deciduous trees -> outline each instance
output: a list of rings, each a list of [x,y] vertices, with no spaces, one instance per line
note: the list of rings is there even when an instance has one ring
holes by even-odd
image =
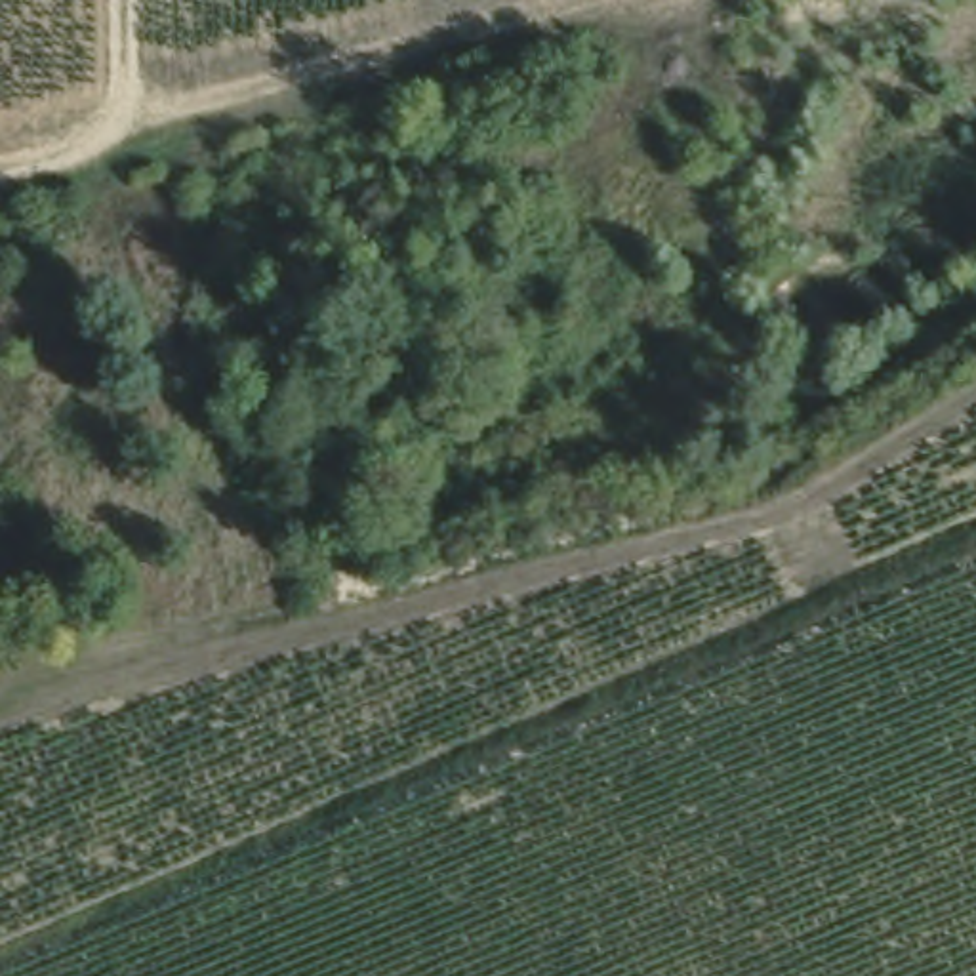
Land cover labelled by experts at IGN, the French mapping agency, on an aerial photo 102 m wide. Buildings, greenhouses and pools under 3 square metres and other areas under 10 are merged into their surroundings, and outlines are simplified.
[[[72,549],[88,568],[84,583],[72,595],[57,595],[50,583],[0,583],[0,675],[15,671],[19,663],[61,667],[72,656],[88,656],[107,637],[126,633],[141,610],[141,572],[122,538],[114,538],[107,526],[72,522],[69,515],[61,515],[53,526],[57,541]]]
[[[194,541],[187,534],[168,530],[164,564],[175,576],[183,576],[194,564]]]
[[[111,477],[149,484],[149,477],[160,465],[137,404],[153,400],[160,389],[160,370],[149,355],[153,328],[137,290],[122,278],[111,278],[92,290],[92,297],[80,305],[80,316],[88,328],[99,332],[99,339],[111,343],[99,393],[111,400],[107,419],[122,438],[122,465]]]
[[[690,438],[675,461],[602,461],[587,473],[564,473],[549,458],[553,438],[591,435],[595,427],[602,427],[602,416],[587,408],[587,400],[599,389],[614,385],[621,370],[641,370],[644,355],[633,320],[671,328],[690,309],[690,263],[675,248],[660,244],[656,259],[663,267],[663,278],[641,282],[610,252],[610,244],[595,236],[591,221],[576,225],[576,198],[568,179],[545,179],[541,168],[530,164],[530,153],[553,153],[587,133],[602,95],[618,92],[629,80],[629,53],[610,57],[606,46],[591,50],[591,38],[576,34],[568,19],[530,23],[519,11],[496,11],[492,19],[454,15],[450,27],[412,38],[389,53],[366,53],[358,69],[343,69],[332,80],[313,80],[301,92],[290,84],[282,95],[271,95],[263,111],[240,107],[137,130],[111,153],[69,172],[38,172],[15,179],[0,175],[0,320],[8,320],[15,309],[11,290],[19,286],[23,271],[46,248],[65,255],[84,233],[103,248],[145,244],[175,267],[179,282],[172,297],[172,324],[214,324],[217,316],[236,316],[248,339],[236,343],[236,355],[221,374],[221,397],[210,400],[210,416],[217,419],[217,427],[240,458],[278,458],[286,469],[290,507],[271,511],[267,519],[267,530],[282,545],[267,549],[267,560],[275,602],[294,618],[320,618],[324,599],[343,572],[389,591],[408,591],[435,564],[473,564],[477,572],[496,572],[507,564],[522,564],[526,557],[557,560],[606,541],[621,545],[644,534],[660,534],[675,522],[702,522],[724,511],[755,507],[808,480],[816,469],[839,465],[846,454],[881,438],[904,416],[938,400],[942,389],[953,385],[953,374],[968,358],[976,358],[976,248],[965,259],[949,263],[949,271],[934,282],[926,282],[923,275],[907,278],[911,297],[900,309],[885,313],[869,328],[846,328],[835,336],[835,343],[827,343],[824,336],[804,336],[804,328],[797,324],[789,294],[801,286],[808,271],[820,267],[824,248],[808,244],[801,229],[789,225],[789,214],[804,210],[808,187],[820,175],[827,175],[839,160],[839,137],[846,133],[843,107],[850,92],[865,88],[877,99],[873,122],[858,141],[858,172],[904,149],[923,130],[942,126],[942,118],[949,114],[976,114],[976,99],[968,95],[965,76],[957,69],[942,69],[934,53],[946,50],[957,15],[976,15],[976,0],[713,0],[721,15],[743,15],[736,23],[736,34],[709,34],[705,69],[686,72],[679,88],[656,88],[644,99],[637,118],[637,141],[660,172],[682,168],[694,183],[705,183],[736,214],[736,233],[747,248],[747,267],[724,271],[724,290],[736,294],[743,309],[759,316],[766,339],[759,358],[732,370],[736,381],[728,389],[728,404],[713,404],[705,412],[702,435]]]

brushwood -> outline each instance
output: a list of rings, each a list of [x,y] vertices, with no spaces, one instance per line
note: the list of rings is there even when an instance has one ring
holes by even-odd
[[[850,618],[896,599],[900,587],[926,587],[953,576],[957,557],[965,549],[976,564],[976,522],[965,522],[900,557],[862,568],[812,583],[801,599],[789,599],[785,606],[740,629],[709,637],[686,652],[675,652],[633,675],[606,682],[621,702],[625,694],[641,698],[656,679],[686,675],[705,682],[709,675],[755,663],[789,637],[797,637],[801,625],[820,625],[824,633],[835,633]]]
[[[438,793],[438,778],[458,763],[496,766],[507,747],[553,747],[572,736],[572,724],[587,709],[587,698],[580,694],[522,724],[461,743],[381,785],[343,793],[339,801],[309,812],[305,820],[267,831],[259,839],[275,858],[286,858],[290,850],[328,839],[343,824],[351,824],[347,804],[374,801],[385,816],[393,816],[397,808],[419,797]]]

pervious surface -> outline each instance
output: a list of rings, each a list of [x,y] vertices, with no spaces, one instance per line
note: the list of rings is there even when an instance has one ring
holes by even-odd
[[[187,92],[164,92],[141,80],[137,42],[137,0],[95,0],[95,8],[107,8],[107,103],[88,126],[72,126],[65,137],[46,137],[27,149],[0,153],[0,175],[15,179],[38,172],[69,172],[111,153],[137,130],[240,107],[263,111],[271,95],[282,95],[290,84],[271,69]]]

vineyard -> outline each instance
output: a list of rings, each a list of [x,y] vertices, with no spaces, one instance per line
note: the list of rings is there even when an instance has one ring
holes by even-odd
[[[942,446],[915,442],[915,454],[907,461],[873,473],[858,496],[835,499],[835,519],[846,530],[846,541],[858,549],[862,568],[900,557],[965,522],[976,522],[976,400],[968,404],[965,427],[942,431]]]
[[[286,19],[351,11],[374,0],[137,0],[137,42],[198,50],[217,42],[221,34],[252,34],[255,27],[271,27],[271,38],[278,46],[290,34]]]
[[[38,99],[88,80],[95,50],[95,8],[95,0],[0,0],[0,103],[8,107],[15,99]]]
[[[553,583],[534,595],[522,595],[519,602],[499,602],[492,610],[465,610],[458,629],[442,629],[438,621],[408,621],[400,633],[362,633],[355,648],[324,644],[316,652],[267,656],[229,679],[198,679],[187,686],[172,686],[164,694],[141,694],[114,713],[69,709],[65,728],[57,732],[42,724],[15,724],[0,732],[0,976],[976,976],[976,564],[965,549],[957,557],[953,576],[926,587],[900,587],[896,599],[850,618],[835,633],[824,633],[820,625],[801,625],[797,637],[789,637],[755,663],[709,675],[705,682],[686,675],[656,679],[641,698],[625,694],[621,702],[606,682],[633,675],[675,652],[686,652],[709,637],[740,629],[785,606],[789,599],[774,580],[774,564],[766,560],[759,541],[743,541],[740,553],[728,557],[713,549],[694,549],[686,557],[675,557],[671,564],[618,568],[614,576]],[[259,839],[267,831],[305,820],[309,812],[339,801],[343,793],[381,785],[461,743],[522,724],[580,694],[587,698],[587,709],[572,724],[572,736],[553,747],[507,747],[496,766],[458,763],[438,778],[438,793],[419,797],[397,808],[393,816],[385,816],[374,801],[347,804],[351,824],[343,824],[328,839],[290,850],[286,858],[275,858]]]

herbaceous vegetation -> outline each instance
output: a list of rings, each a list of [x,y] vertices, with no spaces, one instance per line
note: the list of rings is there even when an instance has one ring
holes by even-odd
[[[107,419],[111,400],[99,393],[111,343],[99,339],[99,332],[88,328],[80,316],[80,305],[92,297],[92,290],[111,278],[122,278],[137,290],[153,328],[149,355],[160,370],[160,389],[153,400],[137,404],[160,465],[149,477],[149,484],[111,477],[122,465],[122,438]],[[408,621],[438,621],[442,629],[458,629],[465,610],[492,610],[499,602],[519,602],[522,595],[534,595],[553,583],[614,576],[618,568],[671,564],[675,557],[686,557],[694,549],[713,549],[728,557],[740,553],[743,541],[759,541],[766,560],[774,564],[774,580],[789,599],[801,599],[812,583],[862,568],[858,549],[846,541],[846,530],[835,519],[835,499],[858,496],[873,473],[907,461],[915,454],[915,442],[942,446],[942,431],[965,427],[968,404],[976,400],[976,358],[968,358],[953,374],[953,385],[942,389],[938,400],[904,416],[881,438],[846,454],[839,465],[816,469],[808,480],[755,507],[724,511],[702,522],[675,522],[660,534],[644,534],[621,545],[606,541],[557,560],[526,557],[522,564],[507,564],[496,572],[477,572],[473,564],[435,564],[408,591],[389,591],[343,572],[324,599],[320,618],[294,618],[275,602],[267,560],[267,549],[282,545],[267,530],[267,519],[271,511],[290,507],[286,469],[278,458],[240,458],[217,427],[217,419],[210,416],[210,400],[221,397],[221,374],[236,355],[236,343],[248,339],[236,316],[217,316],[214,324],[172,324],[172,297],[179,282],[175,267],[145,244],[103,248],[84,233],[65,255],[46,248],[23,271],[19,286],[11,290],[15,309],[8,320],[0,320],[0,583],[50,583],[57,595],[72,595],[84,583],[88,568],[72,549],[57,541],[53,526],[61,515],[69,515],[72,522],[107,526],[114,538],[122,538],[141,572],[141,610],[126,633],[107,637],[88,656],[72,656],[61,667],[19,663],[15,671],[0,675],[0,732],[15,724],[42,724],[57,732],[65,728],[69,709],[114,713],[141,694],[164,694],[172,686],[187,686],[198,679],[229,679],[267,656],[316,652],[324,644],[355,648],[362,633],[400,633]],[[183,576],[175,576],[164,564],[168,530],[187,534],[194,541],[194,564]]]
[[[968,95],[976,99],[976,15],[957,15],[946,50],[934,53],[942,69],[957,69],[965,76]]]
[[[107,103],[107,8],[95,8],[95,50],[88,80],[38,99],[15,99],[8,107],[0,103],[0,153],[27,149],[46,137],[65,137],[72,126],[88,126]]]
[[[820,175],[808,187],[804,210],[789,214],[789,225],[801,229],[808,244],[824,248],[820,267],[808,271],[801,286],[789,294],[797,324],[804,328],[804,336],[824,336],[827,343],[835,343],[835,336],[846,328],[869,328],[885,313],[900,309],[911,297],[907,278],[923,275],[926,282],[934,282],[949,271],[949,263],[965,259],[976,248],[976,114],[949,114],[942,118],[942,126],[923,130],[904,149],[858,172],[858,141],[873,122],[877,99],[865,88],[850,92],[843,107],[846,133],[839,137],[839,160],[827,175]]]
[[[198,50],[137,42],[141,80],[164,92],[187,92],[271,69],[290,84],[301,92],[313,80],[332,80],[343,69],[358,69],[366,53],[389,53],[412,38],[450,27],[454,15],[492,19],[496,11],[519,11],[530,23],[568,19],[576,34],[591,38],[591,50],[606,46],[610,57],[629,53],[629,80],[618,92],[602,95],[587,133],[553,153],[530,153],[530,164],[541,168],[545,179],[568,179],[576,198],[576,225],[591,221],[595,236],[610,244],[610,252],[641,282],[663,278],[663,267],[656,259],[660,244],[675,248],[690,263],[690,309],[671,328],[633,320],[644,355],[641,370],[621,370],[614,385],[599,389],[587,400],[587,408],[602,416],[602,427],[595,427],[591,435],[553,438],[549,458],[564,473],[587,473],[602,461],[675,461],[690,438],[702,435],[705,412],[713,404],[728,404],[728,389],[736,381],[732,370],[759,358],[766,339],[759,316],[743,309],[736,294],[724,290],[724,271],[747,267],[747,248],[736,233],[736,214],[705,183],[694,183],[682,168],[660,172],[637,141],[637,118],[644,99],[656,88],[679,88],[686,72],[705,69],[709,34],[736,34],[736,23],[743,15],[721,15],[713,0],[374,0],[351,11],[286,19],[290,34],[278,46],[271,38],[271,27],[255,27],[252,34],[221,34],[217,42]]]

